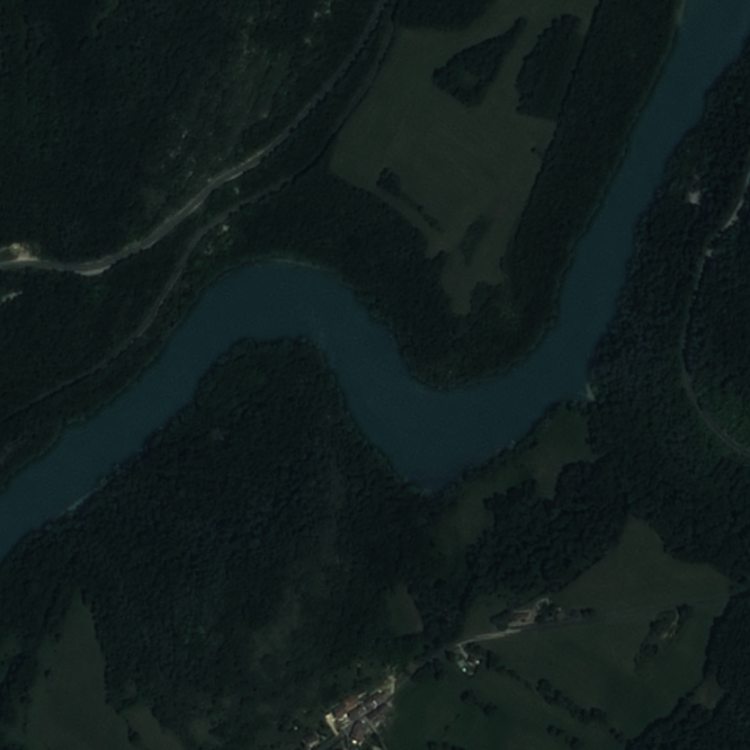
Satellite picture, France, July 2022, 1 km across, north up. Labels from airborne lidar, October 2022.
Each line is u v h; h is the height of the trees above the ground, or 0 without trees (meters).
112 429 0
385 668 7
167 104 9
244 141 10
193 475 28
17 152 16
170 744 0
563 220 14
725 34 0
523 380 0
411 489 19
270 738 0
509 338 16
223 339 0
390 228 13
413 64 0
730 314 12
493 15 0
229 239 7
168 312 14
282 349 15
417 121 0
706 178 11
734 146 12
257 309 0
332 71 13
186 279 17
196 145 9
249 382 10
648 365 23
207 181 8
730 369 9
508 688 0
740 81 20
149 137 10
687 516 12
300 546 7
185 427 14
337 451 8
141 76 11
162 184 9
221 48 12
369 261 19
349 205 11
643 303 20
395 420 0
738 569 28
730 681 21
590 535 9
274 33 28
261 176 16
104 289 13
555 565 11
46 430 17
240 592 13
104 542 17
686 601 0
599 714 15
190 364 0
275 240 21
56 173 18
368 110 0
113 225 8
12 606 18
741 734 17
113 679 12
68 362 12
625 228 0
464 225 0
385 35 14
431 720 0
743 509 21
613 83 14
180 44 10
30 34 9
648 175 0
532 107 9
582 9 0
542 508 8
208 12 9
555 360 0
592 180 18
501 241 0
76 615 0
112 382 16
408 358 14
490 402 0
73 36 16
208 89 9
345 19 18
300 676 7
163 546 18
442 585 18
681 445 19
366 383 0
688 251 16
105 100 16
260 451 17
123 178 11
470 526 0
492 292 7
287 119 15
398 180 16
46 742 0
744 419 8
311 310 0
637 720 0
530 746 0
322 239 19
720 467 12
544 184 10
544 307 17
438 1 12
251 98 8
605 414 21
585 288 0
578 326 0
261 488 19
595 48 13
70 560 7
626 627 0
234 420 15
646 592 0
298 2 17
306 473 14
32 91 11
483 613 0
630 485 14
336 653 14
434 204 0
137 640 7
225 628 9
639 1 16
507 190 0
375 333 0
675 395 11
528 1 0
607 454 9
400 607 0
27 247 0
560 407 19
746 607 21
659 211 14
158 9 17
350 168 0
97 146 18
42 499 0
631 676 0
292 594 0
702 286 12
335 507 11
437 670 7
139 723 0
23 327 11
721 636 21
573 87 12
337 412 17
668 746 8
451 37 0
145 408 0
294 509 17
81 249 11
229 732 10
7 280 10
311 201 16
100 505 20
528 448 7
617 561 0
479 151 0
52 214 17
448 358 11
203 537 7
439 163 0
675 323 12
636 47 16
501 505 14
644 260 15
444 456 0
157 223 9
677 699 0
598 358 8
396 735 0
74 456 0
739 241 10
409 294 16
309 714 6
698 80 0
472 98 11
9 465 15
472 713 0
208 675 10
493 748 0
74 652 0
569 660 0
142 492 23
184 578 7
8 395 19
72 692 0
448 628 27
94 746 0
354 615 13
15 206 14
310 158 16
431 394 0
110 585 15
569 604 0
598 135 15
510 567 13
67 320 12
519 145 0
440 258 9
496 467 8
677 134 0
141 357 20
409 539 23
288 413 18
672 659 0
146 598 8
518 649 0
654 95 0
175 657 7
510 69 0
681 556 13
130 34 12
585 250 0
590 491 17
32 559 20
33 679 6
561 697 15
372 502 24
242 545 13
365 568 17
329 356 0
